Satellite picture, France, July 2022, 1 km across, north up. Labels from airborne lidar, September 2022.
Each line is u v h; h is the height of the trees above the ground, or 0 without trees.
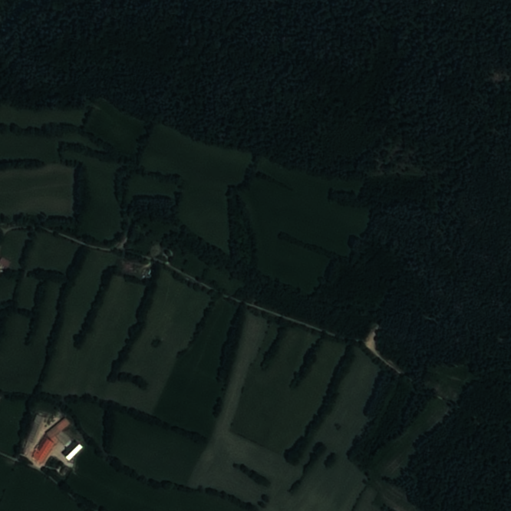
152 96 14
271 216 0
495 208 10
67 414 11
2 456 6
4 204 0
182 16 9
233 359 19
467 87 27
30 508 0
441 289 25
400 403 7
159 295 0
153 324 0
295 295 12
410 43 24
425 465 11
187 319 0
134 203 10
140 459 0
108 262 0
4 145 0
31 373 0
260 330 0
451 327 23
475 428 9
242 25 17
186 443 0
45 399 12
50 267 0
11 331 0
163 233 0
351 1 26
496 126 8
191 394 0
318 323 9
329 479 0
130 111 14
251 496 0
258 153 17
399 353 17
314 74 20
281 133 17
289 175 0
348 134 8
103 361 0
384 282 17
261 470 0
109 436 19
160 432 0
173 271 6
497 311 17
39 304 15
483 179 17
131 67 11
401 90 26
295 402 0
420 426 0
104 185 0
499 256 16
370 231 15
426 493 8
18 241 0
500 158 16
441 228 28
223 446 0
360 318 9
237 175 0
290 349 0
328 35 28
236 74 19
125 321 0
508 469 21
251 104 20
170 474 0
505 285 19
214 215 0
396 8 19
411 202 19
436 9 22
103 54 14
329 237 0
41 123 0
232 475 0
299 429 0
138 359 0
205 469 0
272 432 0
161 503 0
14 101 20
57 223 21
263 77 25
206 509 0
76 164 11
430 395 20
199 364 0
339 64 16
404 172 14
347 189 0
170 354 0
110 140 0
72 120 0
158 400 0
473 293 19
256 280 19
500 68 18
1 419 0
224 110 29
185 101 14
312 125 9
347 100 12
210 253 18
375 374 0
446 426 10
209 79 23
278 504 0
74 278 20
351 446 0
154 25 20
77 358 0
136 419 17
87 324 13
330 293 10
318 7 12
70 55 10
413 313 18
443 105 27
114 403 16
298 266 0
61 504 0
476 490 20
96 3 23
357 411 0
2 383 0
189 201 0
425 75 26
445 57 16
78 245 7
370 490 0
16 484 0
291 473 0
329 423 0
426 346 23
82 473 0
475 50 17
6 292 0
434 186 11
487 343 14
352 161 7
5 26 12
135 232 21
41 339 0
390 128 15
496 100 20
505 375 7
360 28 23
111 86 17
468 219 18
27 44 26
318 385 0
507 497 20
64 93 11
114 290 0
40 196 0
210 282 6
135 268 0
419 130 27
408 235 24
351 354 15
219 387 0
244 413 0
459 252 21
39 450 0
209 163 0
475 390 16
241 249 8
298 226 0
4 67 31
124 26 22
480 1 17
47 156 0
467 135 16
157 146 0
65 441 0
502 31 24
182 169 0
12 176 0
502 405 16
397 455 0
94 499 0
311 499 0
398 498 0
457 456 13
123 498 0
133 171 10
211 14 25
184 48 18
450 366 28
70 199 0
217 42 27
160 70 12
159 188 0
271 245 0
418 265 18
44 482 0
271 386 0
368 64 16
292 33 21
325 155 8
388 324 22
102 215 0
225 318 0
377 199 14
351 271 9
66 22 29
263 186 0
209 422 0
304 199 0
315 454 13
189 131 13
